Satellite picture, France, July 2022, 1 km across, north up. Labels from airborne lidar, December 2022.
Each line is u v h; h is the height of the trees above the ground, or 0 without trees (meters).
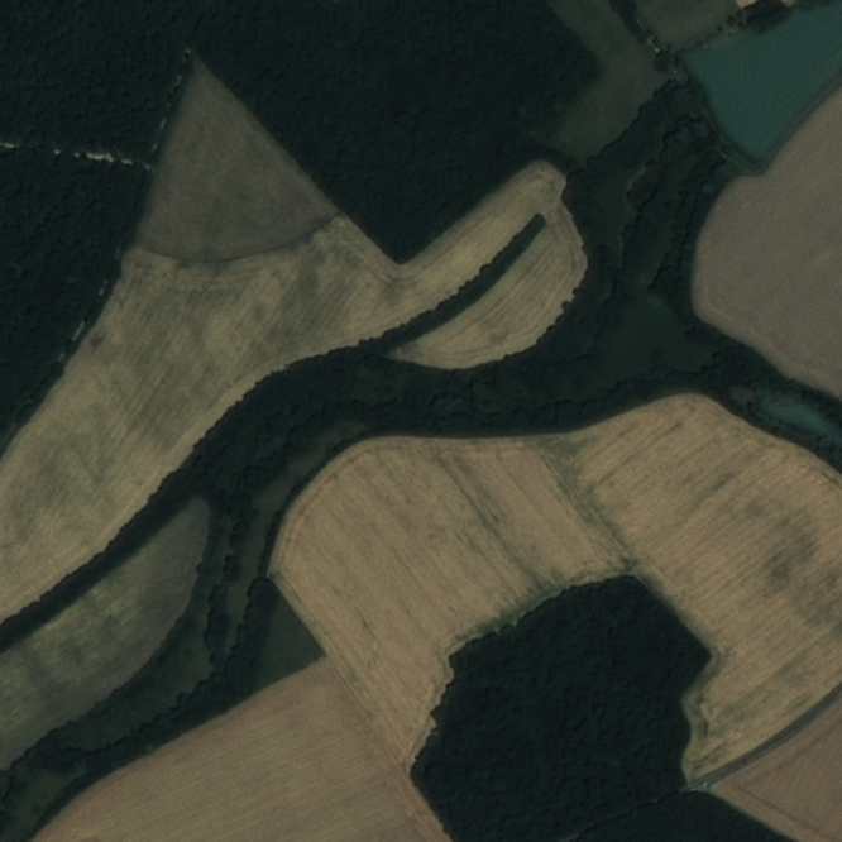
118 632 0
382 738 0
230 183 0
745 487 0
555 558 0
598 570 0
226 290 0
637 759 23
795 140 0
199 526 0
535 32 18
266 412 19
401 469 0
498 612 0
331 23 15
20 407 14
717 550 0
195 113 0
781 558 0
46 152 24
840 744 0
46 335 21
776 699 0
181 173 0
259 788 0
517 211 0
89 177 24
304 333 0
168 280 0
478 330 0
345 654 0
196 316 0
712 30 0
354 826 0
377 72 20
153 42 24
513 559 0
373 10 15
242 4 20
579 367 7
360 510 0
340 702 0
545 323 0
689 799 15
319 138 18
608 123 0
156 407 0
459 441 0
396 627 0
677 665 16
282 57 22
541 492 0
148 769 0
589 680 19
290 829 0
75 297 22
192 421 0
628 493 0
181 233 0
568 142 0
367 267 0
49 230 21
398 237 19
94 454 0
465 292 12
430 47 18
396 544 0
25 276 12
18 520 0
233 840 0
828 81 0
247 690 11
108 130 19
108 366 0
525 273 0
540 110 16
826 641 0
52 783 0
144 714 0
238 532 12
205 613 0
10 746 0
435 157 22
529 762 11
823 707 0
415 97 17
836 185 0
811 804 0
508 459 0
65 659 0
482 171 15
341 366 15
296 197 0
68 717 0
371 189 19
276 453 11
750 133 0
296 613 0
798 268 0
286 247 0
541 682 21
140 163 21
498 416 16
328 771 0
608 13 0
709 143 15
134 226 16
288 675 0
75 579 10
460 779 20
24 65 23
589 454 0
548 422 13
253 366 0
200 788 0
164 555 0
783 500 0
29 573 0
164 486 9
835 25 0
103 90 23
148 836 0
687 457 0
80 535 0
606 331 12
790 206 0
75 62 27
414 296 0
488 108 16
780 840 11
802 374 0
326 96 20
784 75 0
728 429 0
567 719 10
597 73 11
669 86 9
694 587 0
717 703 0
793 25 0
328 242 0
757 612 0
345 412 19
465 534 0
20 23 22
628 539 0
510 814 10
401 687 0
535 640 18
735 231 0
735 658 0
